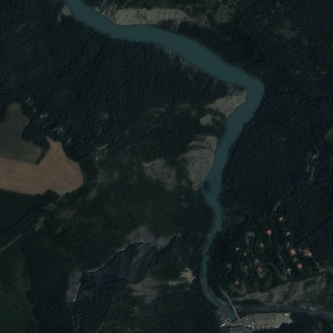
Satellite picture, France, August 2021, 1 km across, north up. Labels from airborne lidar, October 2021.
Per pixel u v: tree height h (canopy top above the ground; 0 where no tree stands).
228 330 0
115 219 10
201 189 6
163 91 16
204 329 19
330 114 22
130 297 13
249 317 0
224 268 9
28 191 0
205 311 15
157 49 6
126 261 0
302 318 11
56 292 19
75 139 19
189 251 14
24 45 13
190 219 14
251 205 15
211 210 11
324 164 21
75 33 15
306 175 17
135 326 9
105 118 6
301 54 15
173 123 10
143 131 11
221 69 0
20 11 9
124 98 17
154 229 6
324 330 10
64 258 14
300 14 20
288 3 12
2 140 0
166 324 13
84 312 14
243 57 16
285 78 18
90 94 16
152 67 12
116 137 6
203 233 16
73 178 0
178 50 0
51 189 0
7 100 15
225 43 20
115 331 11
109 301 7
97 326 8
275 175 20
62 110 9
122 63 19
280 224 14
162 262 9
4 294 0
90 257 17
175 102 16
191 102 9
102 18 0
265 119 19
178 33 16
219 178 0
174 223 13
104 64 23
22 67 19
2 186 0
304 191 19
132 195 11
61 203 11
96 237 14
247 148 19
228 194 21
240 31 16
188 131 17
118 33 0
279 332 12
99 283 0
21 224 14
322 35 10
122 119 13
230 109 0
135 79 14
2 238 17
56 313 18
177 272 10
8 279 0
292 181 11
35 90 10
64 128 11
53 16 12
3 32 20
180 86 16
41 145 11
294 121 21
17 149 0
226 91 9
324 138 12
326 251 19
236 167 20
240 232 12
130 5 9
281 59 16
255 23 10
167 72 11
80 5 0
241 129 0
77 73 16
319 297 9
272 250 8
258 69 17
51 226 13
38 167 0
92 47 16
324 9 22
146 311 6
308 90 12
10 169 0
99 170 0
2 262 0
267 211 11
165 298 15
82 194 12
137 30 0
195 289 9
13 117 0
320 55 18
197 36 12
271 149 14
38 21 9
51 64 8
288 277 9
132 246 0
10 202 0
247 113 0
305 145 15
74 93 13
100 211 9
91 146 8
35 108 16
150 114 8
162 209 7
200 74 9
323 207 14
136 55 12
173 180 0
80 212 11
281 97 20
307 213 23
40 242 10
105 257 21
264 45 16
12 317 0
